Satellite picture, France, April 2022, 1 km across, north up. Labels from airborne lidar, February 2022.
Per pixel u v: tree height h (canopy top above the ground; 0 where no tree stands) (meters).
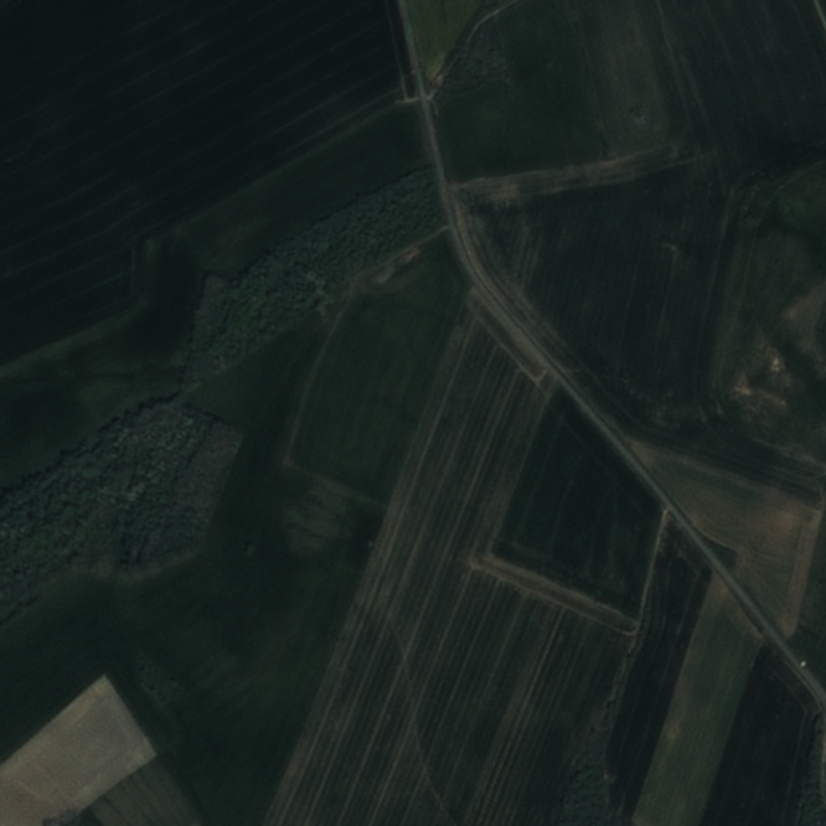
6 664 0
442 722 0
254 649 0
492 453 0
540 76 0
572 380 0
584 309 0
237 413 0
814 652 0
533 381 0
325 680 0
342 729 0
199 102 0
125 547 11
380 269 0
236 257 0
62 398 0
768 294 0
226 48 0
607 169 0
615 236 0
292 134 0
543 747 0
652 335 0
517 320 0
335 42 0
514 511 0
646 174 0
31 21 0
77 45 0
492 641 0
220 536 0
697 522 0
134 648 0
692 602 0
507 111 0
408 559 0
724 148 0
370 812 0
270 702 0
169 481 13
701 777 0
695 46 0
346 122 0
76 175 0
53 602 0
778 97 0
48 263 0
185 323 0
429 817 0
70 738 0
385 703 0
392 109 0
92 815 0
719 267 0
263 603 0
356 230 20
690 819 0
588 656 0
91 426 0
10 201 0
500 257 0
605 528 0
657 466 0
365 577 0
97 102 0
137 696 0
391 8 0
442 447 0
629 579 0
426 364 0
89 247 0
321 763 0
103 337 0
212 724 0
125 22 0
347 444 0
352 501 0
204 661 0
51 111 0
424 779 0
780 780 0
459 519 0
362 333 0
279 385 0
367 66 0
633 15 0
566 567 0
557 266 0
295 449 0
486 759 0
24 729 0
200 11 0
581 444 0
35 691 0
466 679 0
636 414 0
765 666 0
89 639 0
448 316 0
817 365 0
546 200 0
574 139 0
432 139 0
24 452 0
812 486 0
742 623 0
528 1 0
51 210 0
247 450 0
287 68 0
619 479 0
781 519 0
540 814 0
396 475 0
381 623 0
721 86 0
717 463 0
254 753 0
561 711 0
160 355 0
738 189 0
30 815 0
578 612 0
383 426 0
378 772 0
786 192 0
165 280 0
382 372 0
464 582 0
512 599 0
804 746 0
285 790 0
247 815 0
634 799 0
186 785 0
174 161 0
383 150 0
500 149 0
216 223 0
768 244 0
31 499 10
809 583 0
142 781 0
